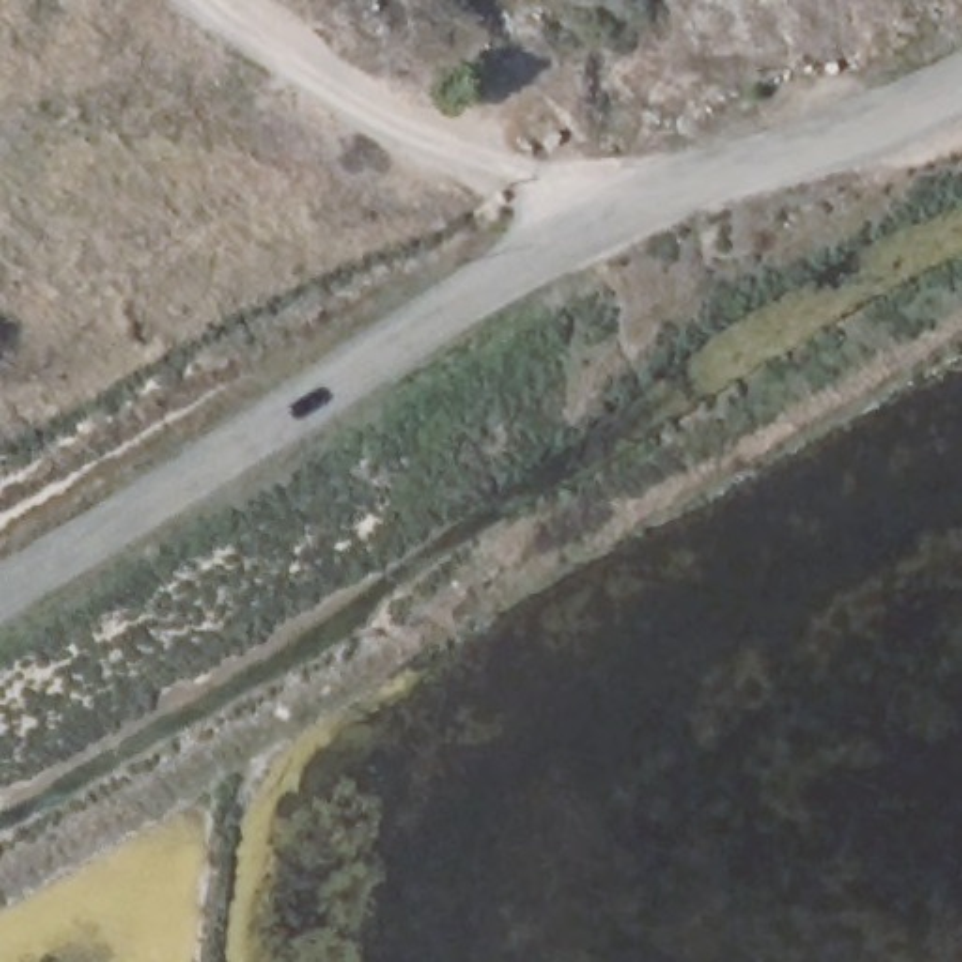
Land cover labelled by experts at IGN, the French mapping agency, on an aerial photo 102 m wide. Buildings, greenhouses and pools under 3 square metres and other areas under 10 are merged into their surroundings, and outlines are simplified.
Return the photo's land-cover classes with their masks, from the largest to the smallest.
<instances>
[{"label":"herbaceous vegetation","instance_id":"1","mask_svg":"<svg viewBox=\"0 0 962 962\"><path fill-rule=\"evenodd\" d=\"M477 214L481 195L470 184H462L451 173H421L417 165H402L376 139L361 135L338 109L308 98L293 83L286 86L267 64L237 49L225 34H214L199 19L184 15L173 0H0V511L60 481L75 466L94 462V455H105L154 417L150 402L158 395V380H147L132 398L120 402V410L79 421L68 436L45 443L26 466H19L8 455V443L30 425L64 413L83 398H98L139 365L158 361L169 346L203 334L222 316L263 304L267 297L293 289L297 282H308L323 271H334L346 259H361L365 252L410 241L417 233H436L455 214ZM289 8L301 23H312V34L338 60L361 68L365 75L395 79L417 94H432L443 71L473 64L477 98L485 105L500 116L507 150L519 158H624L703 147L706 158H718L733 139L755 132L785 139L804 116L800 105L789 98L797 86H815L823 75H846L864 86H887L962 53V0H643L646 19L654 23L669 11V26L646 49H635L628 56H620L613 45L601 53V83L605 90H613V109L597 113L586 105V71L579 64L564 60L549 68L545 60L522 49L530 38L541 34V8L526 4L504 15L500 0H274ZM924 173L921 165L894 169L891 180L872 188H861L857 173H827L819 180H800L778 192L737 199L722 210H695L680 225L654 233L605 263L549 278L515 304H504L500 312L466 327L447 346H436L421 365L406 368L398 380H387L361 395L346 413H338L319 432L301 436L286 451L267 455L259 466L244 470L237 481H225L214 496L199 504L203 511H225L241 507L244 500L267 489L289 485L293 470L308 466L316 455L346 447L353 428L380 425L383 413L395 410V402L402 398L425 395L428 387H447L455 368L504 353L522 327L549 316L552 308H564L567 301L597 293L601 286L613 289L620 323L616 338L601 346H567L564 421L575 425L601 406V383L609 376L631 372L635 357L654 349L661 323L699 319L703 304L714 297V286L722 278L767 274L770 267H785L793 259H819L827 248L849 241L864 222H883L894 207H902L917 177ZM515 214V184H507L496 218L477 214L473 229L455 233L432 252L372 267L368 274H357L349 286H338L331 293H308L293 308L256 319V346H244L241 331H233L218 346L192 357L184 365V376L225 368L233 361L241 376L225 383V395L214 398L203 413H192L162 428L124 458L94 466L68 492L53 496L49 504L26 511L23 519L0 530V560L26 552L45 534L94 511L120 489L135 485L143 473L177 458L195 440L210 436L229 417L274 395L293 376L327 361L361 331L391 319L421 293L455 278L462 267L485 259L489 248L511 229ZM962 252V207L936 222L902 229L887 244L868 248L861 267L838 289H800L763 312H752L744 323H733L714 342H706V349L691 361L695 387L714 391L725 380H744L755 365L770 357L800 349L804 338H812L819 327H838L846 331V353L857 368L842 376L834 387L815 391L804 402H793L774 425L744 436L740 443H729L722 455H710L706 462H695L684 473L665 477L661 485H650L643 496L613 500V519L582 541L541 552L530 541L537 530L526 515L515 522H500L489 526L477 541H462L432 556L380 601V609L368 616L361 631L301 661L293 673L233 695L210 718L180 733H169L135 755H124L120 748L109 752L116 763L113 770L90 778L60 804H45L26 819L11 823L8 830H0V906L41 887L53 872L75 868L90 861L98 849L116 846L128 830H139L147 819H162L180 797L188 800L184 819L192 827L203 823V808H210L214 815L222 782L229 774L244 778H263L267 759L259 752L274 740H293L316 718L327 722L334 733L372 714L380 703L410 691L413 684L436 680L447 669L451 639L466 643L470 635L489 631L500 613L522 605L537 590H549L564 575H575L582 564L601 560L620 537L635 534L639 526H665L680 511H695L710 500H722L729 489L759 477L770 466L763 458L767 451L774 458L797 455L804 443L823 440L834 428H849L857 417L887 406L894 395L909 387H928L947 372H962V297L943 286L917 289L906 304V316L932 319L936 327L917 334L913 342H898L887 331V323L864 319V312L842 319V312L864 297L891 293L909 274ZM316 545V534L304 526V534L293 541L289 560L241 556L229 545H218L214 552L177 567L162 586H154L143 609L109 613L94 635L105 643L124 635L128 628L147 624L150 639L139 643L143 654H162L165 646H173V639L199 643L207 631H218L225 620L237 616V597L248 586L274 582L278 575H301L304 552ZM158 530L128 541L116 556L41 594L19 616L0 624V673L8 665H41L34 658V639L60 620L64 609L86 605L90 594L116 590L139 560L158 556ZM34 729L26 699L11 706L8 691L0 688V733ZM380 834V797L361 793L346 778L331 789L327 800H316L286 819L274 815L267 834L274 872L263 876L252 898L248 962H361V924L372 913V891L383 883L380 853L372 846Z\"/></svg>","mask_w":962,"mask_h":962},{"label":"water","instance_id":"2","mask_svg":"<svg viewBox=\"0 0 962 962\"><path fill-rule=\"evenodd\" d=\"M763 458L770 466L759 477L729 489L722 500H710L695 511H680L665 526H639L635 534L620 537L601 560L582 564L575 575H564L549 590H537L522 605L500 613L489 631L470 635L466 643L451 639L447 669L436 680L413 684L410 691L380 703L372 714L334 733L331 744H323L304 763L297 789L278 797L274 815L286 819L316 800H327L331 789L346 778L361 793L380 797V834L372 846L380 853L383 883L372 891V913L361 924V962H962V372H947L928 387H909L894 395L887 406L857 417L849 428H834L823 440L804 443L797 455L774 458L767 451ZM590 451L582 443L560 447L545 455L522 481H496L492 489L470 492L458 504H451L455 526L440 534L432 545H421V552L410 556L406 567H395L387 579H380L349 605L301 631L278 654L241 669L225 684L207 688L195 703L139 729L120 748L124 755H135L169 733H180L210 718L233 695L293 673L301 661L361 631L368 616L380 609V601L432 556L462 541H477L489 526L500 522L507 500L549 496L579 466H586ZM116 763L109 752L64 774L49 789L0 812V830H8L11 823L26 819L45 804H60L90 778L113 770Z\"/></svg>","mask_w":962,"mask_h":962},{"label":"brushwood","instance_id":"3","mask_svg":"<svg viewBox=\"0 0 962 962\"><path fill-rule=\"evenodd\" d=\"M924 173L917 177L902 207H894L883 222H864L849 241L827 248L819 259H793L785 267H770L767 274L722 278L714 286V297L703 304L699 319L661 323L654 349L635 357L631 372L609 376L601 383V406L575 425L564 421L567 346H601L616 338L620 323L613 289L601 286L597 293L567 301L564 308H552L549 316L522 327L504 353L455 368L447 387H428L425 395L402 398L395 402V410L383 413L380 425L353 428L346 447L316 455L308 466L293 470L289 485L267 489L244 500L241 507L225 511H203L199 504L162 522L158 530V556L139 560L116 590L90 594L86 605L64 609L60 620L34 639V658L41 665L60 658L68 643H79V658L60 673L64 684L56 695L34 688L23 691L26 699L34 729L0 733V785L23 782L45 770L49 763L83 752L90 740L120 729L128 718L154 710L165 684L195 676L237 650L263 643L286 616L316 605L323 594L361 579L365 571H380V579H387L395 567H406L410 556L421 552V545H432L440 534L455 526L451 504H458L470 492L492 489L496 481H522L545 455L560 447L582 443L590 451L586 466H579L549 496L507 500L500 522H515L526 515L537 530L530 541L541 552L582 541L613 519V500L643 496L650 485H661L665 477L684 473L695 462H706L710 455H722L729 443H740L744 436L774 425L793 402H804L815 391L834 387L842 376L857 368L846 353V331L838 327H819L812 338H804L800 349L770 357L755 365L744 380H725L714 391L695 387L691 361L706 349V342H714L733 323H744L752 312H763L800 289H838L861 267L868 248L887 244L902 229L936 222L962 207V173H943L936 162L921 165ZM304 526L316 534V545L304 552L301 575H278L274 582L248 586L237 597V616L225 620L218 631H207L199 643L173 639V646H165L162 654H143L139 643L150 639L147 624L128 628L124 635L105 643L94 635L109 613L143 609L154 586H162L177 567L214 552L218 545H229L241 556L289 560L293 541L304 534ZM477 214H455L436 233H417L410 241L365 252L361 259H346L334 271H323L308 282H297L293 289L267 297L263 304L222 316L203 334L169 346L158 361L139 365L98 398H83L64 413L30 425L8 443V455L19 466H26L45 443L68 436L79 421L120 410V402L132 398L147 380H158V395L150 402L154 417H162L173 406H184L192 395L214 383H225L241 376L233 361L225 368L184 376V365L192 357L218 346L233 331H241L244 346H256V319L293 308L308 293H331L338 286H349L357 274H368L372 267L432 252L455 233L473 229ZM943 286L962 297V252L909 274L891 293L864 297L842 312V319L864 312V319L887 323V331L898 342H913L917 334L936 327L932 319L906 316V304L917 289ZM244 778L229 774L222 782L214 815V846L207 857L214 879L203 906L199 962H225L244 827Z\"/></svg>","mask_w":962,"mask_h":962},{"label":"pervious surface","instance_id":"4","mask_svg":"<svg viewBox=\"0 0 962 962\"><path fill-rule=\"evenodd\" d=\"M184 15L199 19L214 34H225L237 49L267 64L286 86L293 83L308 98L338 109L361 135L376 139L402 165H417L421 173H451L462 184H470L481 195L477 214L496 218L507 184H515V214L526 225H541L590 199H605L624 180H635L624 158H519L507 150L500 116L485 105L462 109L458 116H443L432 94H417L395 79L365 75L361 68L338 60L312 34V23H301L289 8L274 0H173ZM936 162L943 173H962V128L917 143L902 154H891L894 169L921 165ZM225 395V383H214L192 395L184 406H173L162 417H154L105 455H94V462L75 466L60 481L0 511V530L23 519L26 511L49 504L53 496L68 492L94 466L124 458L162 428L192 413H203L214 398ZM380 579V571H365L361 579L323 594L316 605L286 616L263 643L237 650L195 676L165 684L154 710L128 718L120 729L90 740L83 752L49 763L45 770L23 782L0 785V812L49 789L64 774L109 752L120 748L139 729L195 703L207 688L225 684L241 669L278 654L301 631L349 605ZM79 658V643H68L60 658L41 665H8L0 673V688L8 691L11 706L26 699L23 691L34 688L56 695L64 684L60 673ZM334 733L327 722L316 718L293 740H274L259 752L267 759L263 778H244V827L225 962H248L252 898L263 876L274 872L267 834L274 815L278 797L297 789L304 763L323 744H331ZM188 800L180 797L162 819H147L139 830H128L116 846L98 849L90 861L75 868L53 872L41 887L0 906V962H199L203 906L214 879L207 857L214 846V815L210 808H203V823L192 827L184 819Z\"/></svg>","mask_w":962,"mask_h":962},{"label":"impervious surface","instance_id":"5","mask_svg":"<svg viewBox=\"0 0 962 962\"><path fill-rule=\"evenodd\" d=\"M789 98L800 105L804 116L785 139L755 132L733 139L718 158H706L703 147L624 158L635 180H624L605 199H590L541 225H526L515 214L511 229L489 248L485 259L462 267L455 278L421 293L391 319L361 331L327 361L293 376L274 395L229 417L210 436L195 440L177 458L143 473L135 485L120 489L94 511L45 534L26 552L0 560V624L19 616L41 594L116 556L128 541L158 530L162 522L199 504L214 496L225 481H237L244 470L259 466L267 455L286 451L301 436L319 432L338 413H346L361 395L387 380H398L406 368L421 365L436 346H447L466 327L500 312L504 304H515L549 278L605 263L654 233L680 225L695 210H722L737 199L778 192L800 180H819L827 173H857L861 188H872L891 180L894 169L891 154H902L917 143L962 128V53L887 86H864L846 75H823L815 86H797Z\"/></svg>","mask_w":962,"mask_h":962},{"label":"deciduous trees","instance_id":"6","mask_svg":"<svg viewBox=\"0 0 962 962\"><path fill-rule=\"evenodd\" d=\"M526 4L541 8V34L530 38L522 49L545 60L549 68L564 60L579 64L586 71V105L597 113L613 109V90H605L601 83V53L613 45L620 56H628L635 49H646L669 26V11L654 23L646 19L643 0H500L504 15ZM443 116H458L462 109L485 105L477 98L473 64L443 71L432 94Z\"/></svg>","mask_w":962,"mask_h":962}]
</instances>
